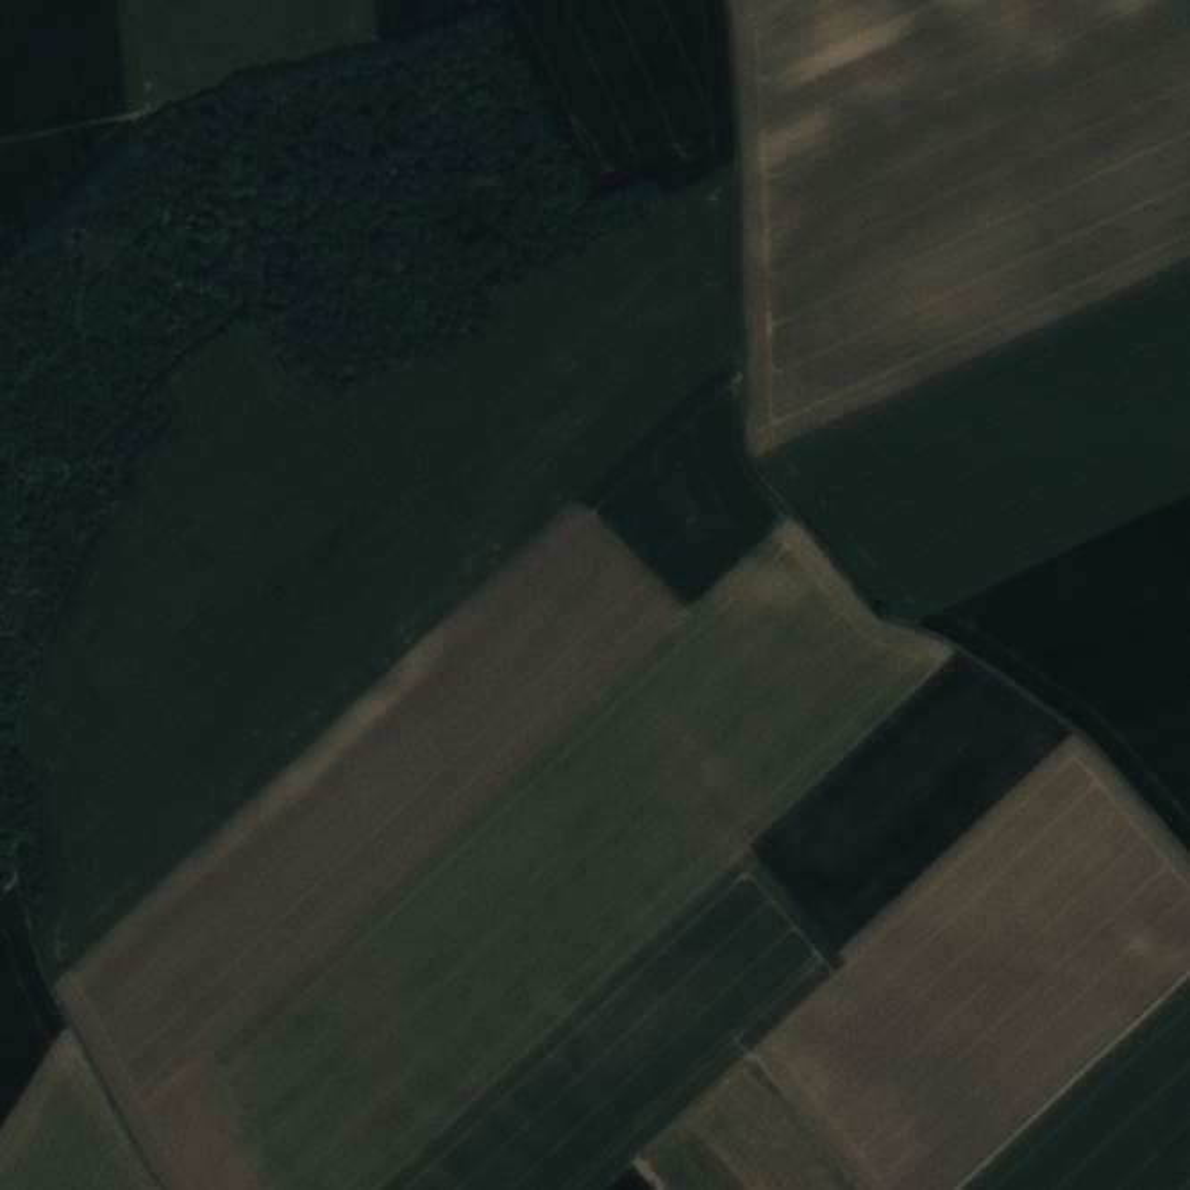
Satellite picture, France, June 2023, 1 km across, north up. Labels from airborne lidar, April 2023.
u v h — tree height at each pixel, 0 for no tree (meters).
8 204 0
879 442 0
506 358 0
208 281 17
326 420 0
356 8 0
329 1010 0
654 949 0
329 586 0
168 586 0
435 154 20
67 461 9
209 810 0
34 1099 0
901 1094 0
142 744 0
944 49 0
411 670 0
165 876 0
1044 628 0
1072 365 0
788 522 0
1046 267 0
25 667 9
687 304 0
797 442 0
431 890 0
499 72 20
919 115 0
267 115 19
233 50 0
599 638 0
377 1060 0
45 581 6
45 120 0
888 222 0
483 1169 0
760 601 0
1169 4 0
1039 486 0
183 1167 0
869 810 0
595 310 0
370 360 11
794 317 0
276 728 0
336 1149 0
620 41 0
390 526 0
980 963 0
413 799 0
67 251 15
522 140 19
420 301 18
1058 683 0
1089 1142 0
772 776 0
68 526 6
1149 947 0
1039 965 0
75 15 0
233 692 0
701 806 0
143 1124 0
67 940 0
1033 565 0
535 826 0
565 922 0
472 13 16
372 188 21
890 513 0
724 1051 0
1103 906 0
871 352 0
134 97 0
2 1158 0
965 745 0
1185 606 0
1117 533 0
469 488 0
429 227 17
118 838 0
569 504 0
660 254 0
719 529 0
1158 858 0
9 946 0
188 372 0
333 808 0
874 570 0
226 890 0
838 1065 0
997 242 0
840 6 0
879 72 0
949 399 0
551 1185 0
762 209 0
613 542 0
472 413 0
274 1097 0
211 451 0
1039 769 0
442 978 0
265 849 0
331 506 0
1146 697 0
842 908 0
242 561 0
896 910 0
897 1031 0
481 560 0
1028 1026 0
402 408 0
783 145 0
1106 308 0
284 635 0
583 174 14
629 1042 0
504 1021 0
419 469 0
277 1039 0
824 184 0
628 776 0
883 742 0
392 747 0
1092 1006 0
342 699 0
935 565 0
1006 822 0
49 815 0
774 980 0
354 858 0
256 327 17
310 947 0
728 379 0
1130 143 0
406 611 0
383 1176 0
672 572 0
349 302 18
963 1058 0
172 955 0
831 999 0
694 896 0
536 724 0
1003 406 0
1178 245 0
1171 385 0
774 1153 0
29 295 11
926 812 0
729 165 0
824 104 0
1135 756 0
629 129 0
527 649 0
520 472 0
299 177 7
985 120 0
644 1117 0
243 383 0
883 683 0
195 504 0
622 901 0
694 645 0
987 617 0
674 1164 0
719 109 0
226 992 0
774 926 0
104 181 17
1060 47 0
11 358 7
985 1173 0
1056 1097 0
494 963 0
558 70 0
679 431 0
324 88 21
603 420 0
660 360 0
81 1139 0
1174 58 0
